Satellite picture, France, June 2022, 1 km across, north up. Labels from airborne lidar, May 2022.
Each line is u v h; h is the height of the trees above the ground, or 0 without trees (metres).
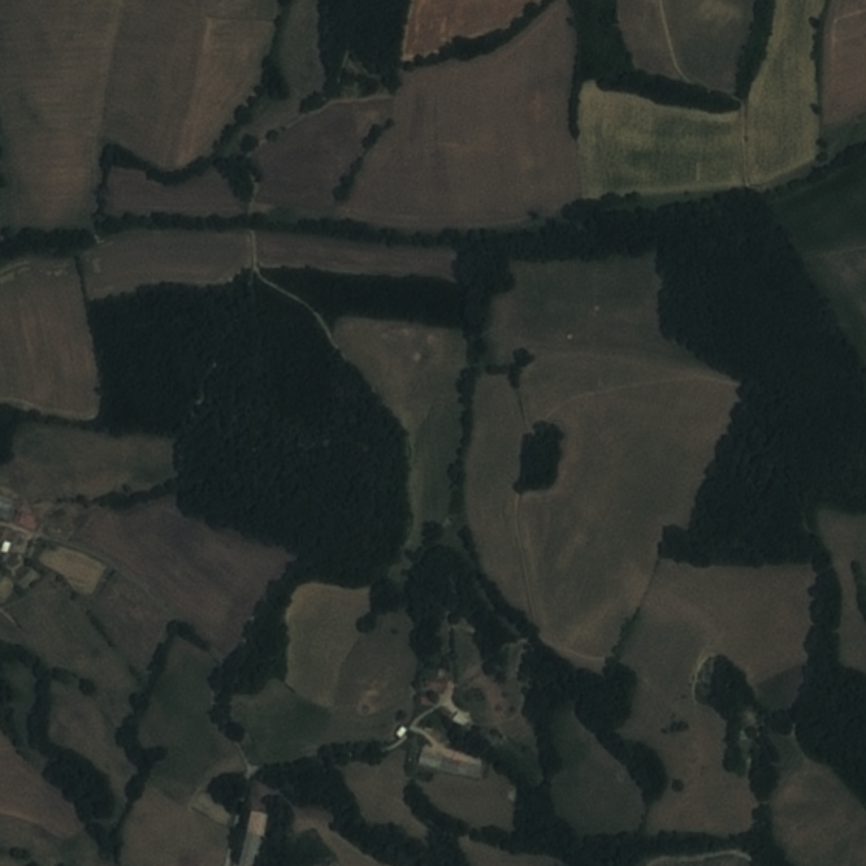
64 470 0
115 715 0
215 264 0
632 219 22
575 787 0
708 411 0
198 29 0
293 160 0
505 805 0
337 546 18
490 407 0
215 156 7
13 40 0
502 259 24
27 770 0
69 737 0
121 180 0
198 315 9
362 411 19
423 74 0
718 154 0
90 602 0
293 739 0
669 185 0
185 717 0
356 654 0
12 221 0
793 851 0
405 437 17
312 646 0
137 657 0
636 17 0
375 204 0
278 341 6
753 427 8
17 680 0
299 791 15
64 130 0
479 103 0
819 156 9
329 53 20
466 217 0
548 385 0
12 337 0
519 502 0
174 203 0
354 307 8
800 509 22
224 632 0
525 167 0
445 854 11
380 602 21
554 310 0
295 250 0
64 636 0
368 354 0
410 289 10
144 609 0
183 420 7
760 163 0
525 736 0
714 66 0
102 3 0
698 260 23
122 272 0
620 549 0
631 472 0
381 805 0
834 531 0
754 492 15
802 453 18
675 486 0
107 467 0
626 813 0
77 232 10
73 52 0
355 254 0
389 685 0
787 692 0
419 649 14
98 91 0
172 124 0
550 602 0
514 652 0
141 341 7
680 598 0
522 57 0
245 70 0
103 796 17
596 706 21
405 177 0
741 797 0
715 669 10
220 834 0
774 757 13
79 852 0
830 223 0
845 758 14
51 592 0
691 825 0
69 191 0
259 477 20
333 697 0
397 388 0
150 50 0
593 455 0
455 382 0
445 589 16
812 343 19
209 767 0
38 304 0
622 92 15
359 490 20
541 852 8
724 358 16
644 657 0
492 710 0
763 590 0
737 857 0
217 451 14
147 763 12
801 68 0
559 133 0
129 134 0
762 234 19
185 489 12
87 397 0
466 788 0
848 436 18
